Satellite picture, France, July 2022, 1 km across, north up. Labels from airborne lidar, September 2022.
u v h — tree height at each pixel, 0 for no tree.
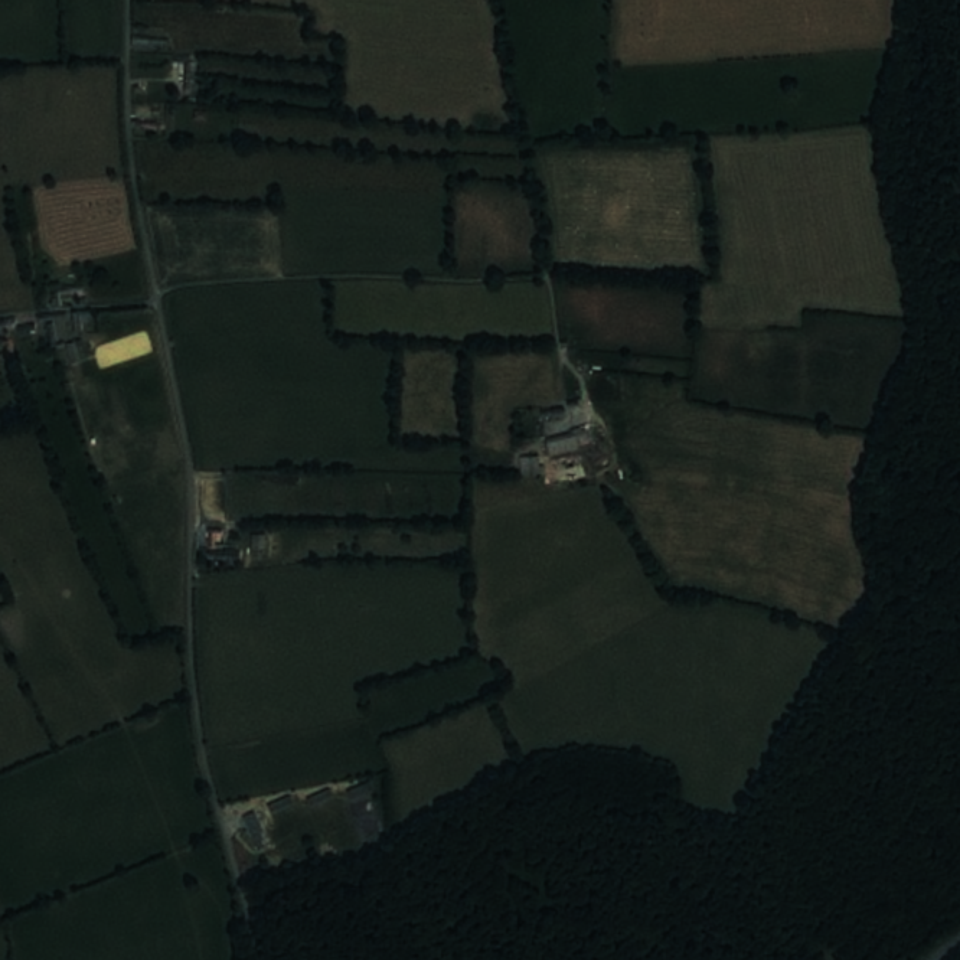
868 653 21
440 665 11
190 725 5
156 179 0
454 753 0
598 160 0
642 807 12
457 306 0
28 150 0
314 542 0
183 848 0
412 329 0
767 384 0
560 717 0
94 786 0
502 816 17
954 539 24
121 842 0
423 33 0
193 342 0
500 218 0
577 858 21
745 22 0
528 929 19
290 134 0
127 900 0
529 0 0
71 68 16
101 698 0
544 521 0
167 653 0
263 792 0
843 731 21
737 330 0
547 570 0
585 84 0
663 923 25
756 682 0
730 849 22
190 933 0
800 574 0
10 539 0
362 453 0
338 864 21
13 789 0
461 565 18
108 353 0
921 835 25
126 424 0
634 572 0
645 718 0
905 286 15
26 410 27
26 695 15
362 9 0
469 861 15
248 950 23
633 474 0
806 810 23
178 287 0
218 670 0
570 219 0
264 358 0
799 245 0
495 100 0
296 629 0
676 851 24
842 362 0
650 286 17
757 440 0
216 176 0
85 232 0
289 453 0
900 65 23
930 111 19
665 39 0
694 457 0
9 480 0
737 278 0
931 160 16
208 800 9
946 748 21
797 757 21
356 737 0
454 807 19
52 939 0
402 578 0
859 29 0
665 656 0
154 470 0
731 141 0
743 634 0
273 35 0
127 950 0
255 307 0
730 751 0
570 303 0
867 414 0
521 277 7
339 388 0
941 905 20
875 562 20
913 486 28
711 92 0
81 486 0
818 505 0
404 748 0
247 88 9
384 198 0
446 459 0
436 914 20
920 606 26
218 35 0
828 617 0
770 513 0
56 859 0
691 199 0
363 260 0
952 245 21
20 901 0
